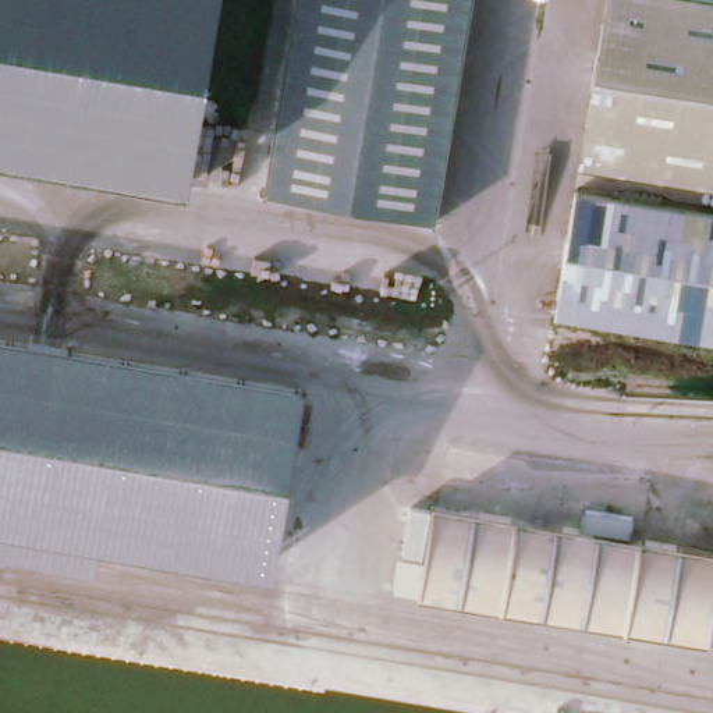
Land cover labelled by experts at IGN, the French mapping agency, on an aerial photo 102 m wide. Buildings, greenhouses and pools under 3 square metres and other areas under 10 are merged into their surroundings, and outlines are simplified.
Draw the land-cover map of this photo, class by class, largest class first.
<instances>
[{"label":"impervious surface","instance_id":"1","mask_svg":"<svg viewBox=\"0 0 713 713\"><path fill-rule=\"evenodd\" d=\"M220 22L209 78V106L195 159V170H201L203 175L192 187L189 203H167L159 198H136L86 184H64L33 173L22 181L0 178V234L33 237L42 245L58 228H64L56 245V256L45 267L42 298L36 301V306L11 304L0 292V340L17 345L31 359H67L75 354H97L117 359L120 365H164L181 373L201 370L231 376L240 384H281L290 387L304 407L298 426V451L292 454V471L287 487L279 493V499H287V526L281 543L270 551V557H262L259 563L256 579L262 585L226 582L214 577H187L178 571L164 574L162 568L148 571L136 565H106L95 554L58 551L47 546H14L0 540V641L120 660L134 666L295 688L309 694H357L454 713H713V627L707 646L694 649L671 641L618 638L582 627L565 629L540 621L493 618L443 604H418L412 599L395 596L393 590L404 546V524L398 521L401 507L423 512L446 510L504 515L515 524V532H551L571 526L588 540L638 546L641 554L652 557H674L677 551H691L713 557V401L624 398L602 387L568 384L554 373V365L549 362L551 329H546V320L551 315L557 301L560 270L571 265L579 187L588 195H602L613 203L713 217V195L646 187L616 178L590 181L585 173H579V145L585 128V109L590 97V81L599 78V61L607 42V36L599 33L604 0H471L473 14L457 95L446 187L440 198V212L446 217L434 226H398L298 209L265 198L267 178L256 173L259 134L248 128V120L259 97L265 45L270 36L276 0H217ZM103 256L120 259L125 265L170 262L175 267H192L195 273L214 276H226L234 270L237 279L253 276L259 281L301 276L309 281L329 284L331 292L365 287L376 290L384 298L404 301L418 298L423 279H437L454 292V315L451 320L437 326V345H423L421 340L393 343L365 337H306L301 329H259L256 323H237L226 312H175L156 306V301L134 306L128 292L120 295L114 304L97 295L86 301L84 287H89L95 259Z\"/></svg>","mask_w":713,"mask_h":713},{"label":"building","instance_id":"2","mask_svg":"<svg viewBox=\"0 0 713 713\"><path fill-rule=\"evenodd\" d=\"M220 22L217 0H0V178L22 181L33 173L64 184H86L136 198H159L167 203H189L192 187L203 175L201 170H195V159L209 106V78ZM473 14L471 0H276L270 36L265 45L259 97L248 120V128L259 134L256 173L267 178L265 198L298 209L398 226H434L446 217L440 212V198L446 187L457 95ZM599 33L607 36V42L599 61V78L590 81V97L585 109V128L579 145V173H585L590 181L616 178L646 187L713 195V0H604ZM551 315L557 323L588 326L607 334H621L627 340H652L668 345L685 343L713 348V217L613 203L602 195H588L579 187L571 265L560 270L557 301ZM304 407L290 387L281 384H240L231 376L201 370L181 373L164 365H120L117 359L97 354H75L67 359H31L17 345L0 340V540L14 546H47L58 551L95 554L106 565H136L148 571L162 568L164 574L178 571L187 577H214L226 582L262 585L256 579L259 563L262 557H270V551L281 543L287 526V499H279V493L287 487L292 471V454L298 451V426ZM398 521L404 524V546L393 590L395 596L412 599L418 604H443L493 618L540 621L565 629L582 627L618 638L671 641L694 649L707 646L713 627V557L691 551H677L674 557H652L641 554L638 546L588 540L571 526L551 532H515V524L504 515L446 510L423 512L401 507Z\"/></svg>","mask_w":713,"mask_h":713},{"label":"pervious surface","instance_id":"3","mask_svg":"<svg viewBox=\"0 0 713 713\"><path fill-rule=\"evenodd\" d=\"M64 228H58L42 245L33 237L0 234V292L11 304L36 306V301L42 298L45 267L56 256V245ZM128 292L134 306L156 301V306L175 312H226L237 323H256L259 329H301L306 337H365L393 343L421 340L423 345H437V326L451 320L454 315V292L437 279H423L418 298L404 301L384 298L376 290L365 287L331 292L329 284L309 281L301 276L259 281L253 276L237 279L234 270L226 276H214L195 273L192 267H175L170 262L125 265L120 259L103 256L95 259L89 287H84L86 301L97 295L114 304L120 295Z\"/></svg>","mask_w":713,"mask_h":713},{"label":"water","instance_id":"4","mask_svg":"<svg viewBox=\"0 0 713 713\"><path fill-rule=\"evenodd\" d=\"M0 713H454L357 694H309L295 688L134 666L120 660L0 641Z\"/></svg>","mask_w":713,"mask_h":713},{"label":"brushwood","instance_id":"5","mask_svg":"<svg viewBox=\"0 0 713 713\"><path fill-rule=\"evenodd\" d=\"M546 329H551L549 362L554 365V373L568 384L602 387L624 398L713 401V348L685 343L668 345L652 340H627L621 334H607L588 326L557 323L551 315L546 320Z\"/></svg>","mask_w":713,"mask_h":713}]
</instances>
